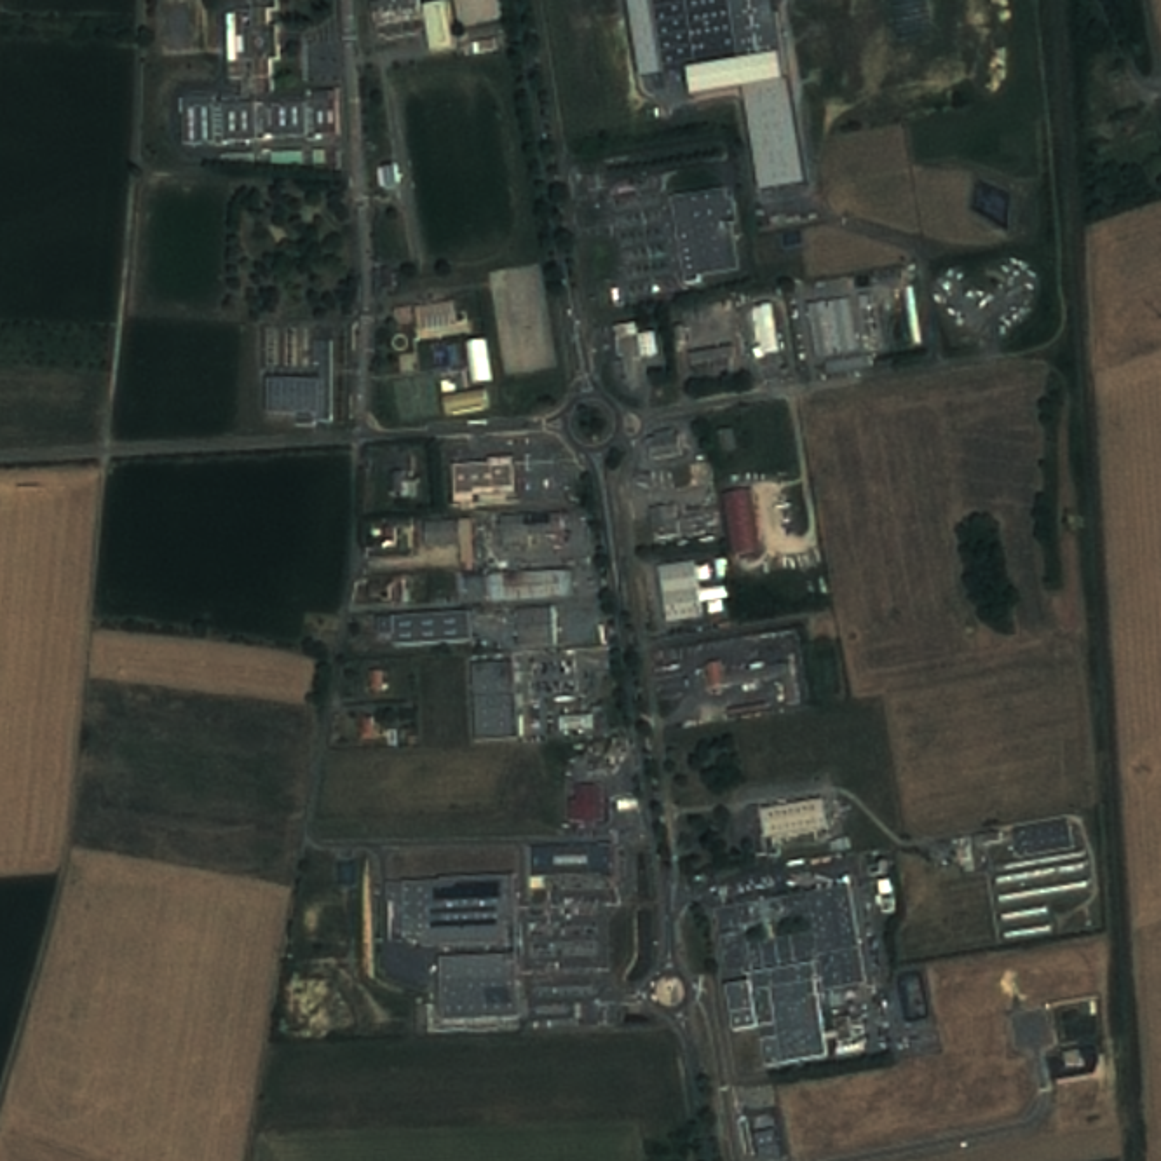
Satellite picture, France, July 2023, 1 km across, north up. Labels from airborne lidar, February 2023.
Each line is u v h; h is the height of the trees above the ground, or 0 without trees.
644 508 0
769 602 0
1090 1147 0
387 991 0
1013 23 0
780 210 0
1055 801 0
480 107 0
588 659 0
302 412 0
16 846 0
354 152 0
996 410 0
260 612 0
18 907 0
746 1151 0
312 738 0
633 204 0
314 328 0
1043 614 0
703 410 0
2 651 0
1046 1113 0
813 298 0
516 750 0
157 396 0
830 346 0
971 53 0
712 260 0
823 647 0
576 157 0
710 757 9
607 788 0
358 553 0
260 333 0
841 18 0
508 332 0
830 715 0
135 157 0
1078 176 0
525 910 0
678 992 0
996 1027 0
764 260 0
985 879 0
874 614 0
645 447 0
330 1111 0
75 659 0
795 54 0
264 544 0
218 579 0
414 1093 0
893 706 0
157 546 0
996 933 0
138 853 0
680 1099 0
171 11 0
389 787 0
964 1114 0
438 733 0
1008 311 0
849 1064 11
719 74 0
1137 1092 0
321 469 0
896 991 0
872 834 0
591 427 14
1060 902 0
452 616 0
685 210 0
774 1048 0
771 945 0
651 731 17
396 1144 0
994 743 0
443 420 0
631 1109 0
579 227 0
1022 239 0
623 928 0
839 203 0
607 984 0
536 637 0
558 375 0
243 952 0
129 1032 0
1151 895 0
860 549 0
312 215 0
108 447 0
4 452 0
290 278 10
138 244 0
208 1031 0
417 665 0
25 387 0
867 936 0
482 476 0
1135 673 0
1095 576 0
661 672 0
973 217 0
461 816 0
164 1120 0
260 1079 0
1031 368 0
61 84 0
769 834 0
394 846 0
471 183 0
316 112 0
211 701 0
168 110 0
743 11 0
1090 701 0
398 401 0
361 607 0
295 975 0
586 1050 0
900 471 0
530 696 0
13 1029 0
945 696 0
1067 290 0
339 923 0
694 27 0
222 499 0
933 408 0
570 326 0
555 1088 0
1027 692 0
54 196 0
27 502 0
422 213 0
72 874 0
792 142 0
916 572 0
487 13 0
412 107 0
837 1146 0
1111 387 0
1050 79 0
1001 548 10
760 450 0
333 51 0
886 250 0
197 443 0
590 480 10
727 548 9
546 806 0
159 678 0
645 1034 0
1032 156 0
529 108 20
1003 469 0
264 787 0
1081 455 0
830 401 0
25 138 0
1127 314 0
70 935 0
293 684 0
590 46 0
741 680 0
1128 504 0
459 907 0
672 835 18
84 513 0
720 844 14
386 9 0
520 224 0
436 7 0
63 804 0
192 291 0
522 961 0
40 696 0
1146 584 0
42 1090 0
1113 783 0
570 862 0
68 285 0
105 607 0
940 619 0
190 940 0
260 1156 0
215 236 0
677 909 0
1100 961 0
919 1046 0
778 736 0
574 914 0
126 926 0
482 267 0
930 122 0
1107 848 0
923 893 0
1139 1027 0
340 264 8
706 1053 0
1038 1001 0
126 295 0
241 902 0
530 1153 0
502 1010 0
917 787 0
